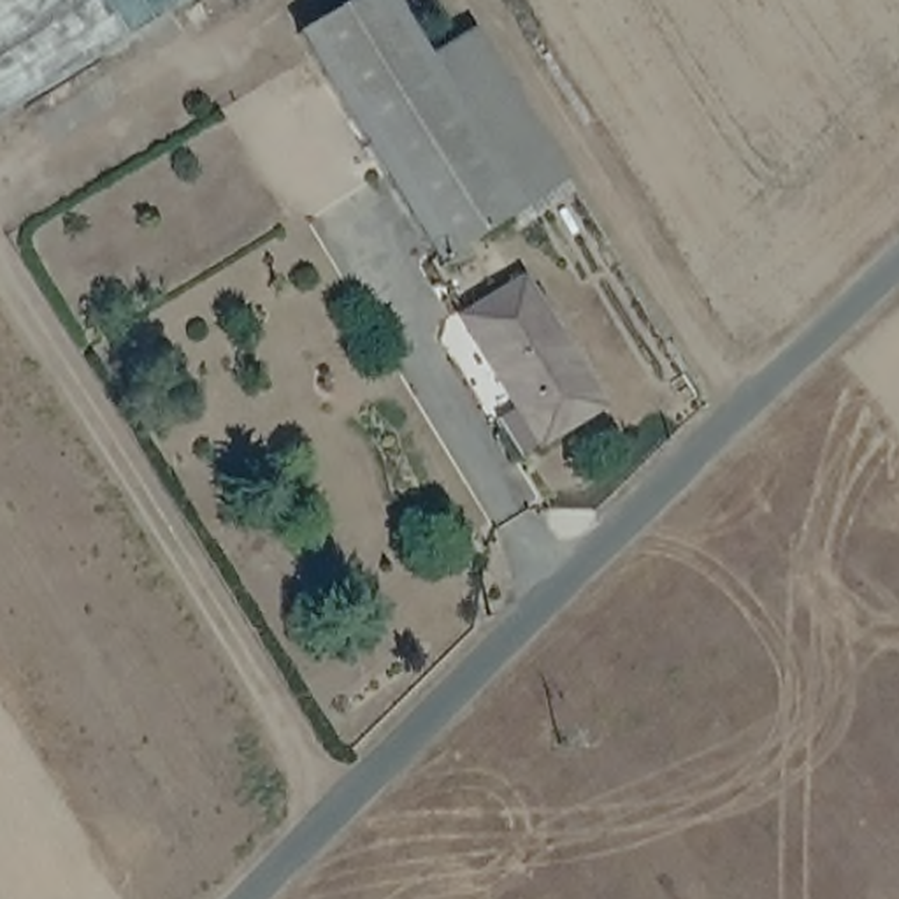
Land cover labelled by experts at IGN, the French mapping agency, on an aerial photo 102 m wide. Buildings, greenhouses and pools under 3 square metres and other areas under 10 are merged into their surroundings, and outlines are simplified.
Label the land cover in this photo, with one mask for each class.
<instances>
[{"label":"agricultural land","instance_id":"1","mask_svg":"<svg viewBox=\"0 0 899 899\"><path fill-rule=\"evenodd\" d=\"M530 7L544 21V32L565 53L572 74L583 81L593 105L601 109V119L615 130L618 144L625 147L629 165L657 197L667 228L678 235V246L688 256L692 274L713 298L723 323L730 330H748L755 316L769 313L783 327L808 313L822 284H829L846 260H853L867 246V239L881 235L899 218V0H530ZM260 737L263 727L253 713L249 695L235 681L232 664L221 657L211 632L200 625L179 579L169 572L147 530L133 516V506L126 502L123 488L112 485L109 467L98 460L77 418L63 407L56 386L49 383L39 358L28 351L25 337L14 330L11 316L0 306V899H204L211 888L232 878L239 860L235 843L246 839L249 818L260 804H239L235 797L242 769L235 737ZM270 899H899V313L888 316L860 348L846 351L843 362H825L804 390L790 383L741 432H734L692 474V481L657 509V516L643 530H636L565 604H558L544 618V625H537L502 660V667H495L492 678L411 755V762L397 776H390Z\"/></svg>","mask_w":899,"mask_h":899},{"label":"herbaceous vegetation","instance_id":"2","mask_svg":"<svg viewBox=\"0 0 899 899\"><path fill-rule=\"evenodd\" d=\"M295 0H176L165 7L162 18L137 32L119 25L116 35L95 49L98 56H105V67H91V74H81L67 88L53 91L46 98L42 116H32L21 102L0 105V130L18 126L39 133L49 155L42 169L46 176H56V183L67 193L95 172H102L105 165L183 126L190 112L183 98L186 91H197V84L183 70H169L162 81L133 95H119V77L109 67H123L140 53L172 42L186 21H200L211 35L235 14L260 32V46L239 70L211 77L200 91L211 95L221 105V112L309 56L298 28L291 18ZM190 151L197 155L193 179H179L172 172L169 155H158L155 162L140 165L137 172L116 179L112 186L77 204V214L88 218L84 232L70 235L60 218H49L35 228V253L56 281V288L63 291L67 306H77L88 295L95 277H116L123 284H133L137 277H147L162 274L165 288H172L204 270L207 263L221 260L235 246L249 242L253 235L267 232L270 225H284L281 239L260 246L235 267L207 277L183 298L165 302L158 316L147 323H137L123 344L109 348L116 376L105 386L109 400L116 404L133 397V372L165 355L169 344H176L186 355L190 379L204 390V414L176 425L158 446L169 467L179 474L186 495L193 499L204 527L214 534V541L239 569L246 590L260 604L274 639L298 667L323 716L334 723L337 737L355 748V762H341L348 773L362 769V762L509 618L506 608L513 597V576L502 544H485L492 523L488 509L474 495L460 460L453 457L432 414L425 411L421 397L411 390L407 372L400 369L386 376H362L341 348L327 306L355 295L362 284L337 270L334 253L323 246L320 228H327V221L320 214H302L288 200H277V193L249 165L246 144L218 123L190 137ZM242 302H249L263 323L256 358L267 369V386L256 393H246L239 386L235 344L221 330V320L239 313ZM302 442H313L316 453L313 485L330 506L334 541L295 558L274 530H242L218 516L214 471L246 481H277V457ZM450 502L464 506V516L471 520V544L478 548V555L488 558V569L481 572L471 565V576L453 572L442 579H421L404 569L400 555L390 544V530H400L407 509L446 513ZM351 562H358L379 583V593L393 604V615L383 622L376 650L358 653L355 660H313L288 636L281 611L291 615L302 593L327 601V593L348 576ZM544 232L551 246L565 256V267H555L527 239H481L457 246L453 256L439 267V284H432V295H442L450 309L464 316L481 298L530 274L534 281H541L544 302L551 306L576 358L593 376L579 400L590 404L597 418L583 421L555 442H537L534 450L516 442L520 460L513 464V474L527 485L530 502L548 499L551 509H590L597 523H604L730 397L709 379L706 369L695 365L688 344L674 330L664 334V327L636 298L625 267L597 253V235L579 225L572 211L558 214ZM646 414H667L674 432L618 488H590V481L565 464V457L583 439L611 428V421L639 425ZM899 246V218L881 235L867 239V246L853 260H846L829 284H822L808 313L783 327L773 334V348L780 355L790 351L853 284H860ZM899 313V281L790 383L804 390L825 362H843L846 351L860 348L888 316ZM295 829L284 822L263 839H256L253 853L239 860L232 878L211 888L204 899H228Z\"/></svg>","mask_w":899,"mask_h":899},{"label":"impervious surface","instance_id":"3","mask_svg":"<svg viewBox=\"0 0 899 899\"><path fill-rule=\"evenodd\" d=\"M246 144L249 165L277 193V200H288L302 214H320L327 221V228H320L323 246L334 253L337 270L362 284L372 288V295L386 302L404 327L407 355L400 369L407 372L411 390L421 397L425 411L432 414L453 457L460 460L474 495L488 509L492 523L485 544H502L513 576V597L506 608L509 618L362 762V769L348 773L320 797V804H313V811L295 829L228 899H270L390 776H397L411 762V755L492 678L495 667H502V660L537 625H544V618L558 604H565L636 530H643L657 516V509L692 481V474L734 432H741L790 383L899 281V246L860 284H853L790 351L780 355L769 369L744 379L730 397L604 523H597L590 509H551L548 499L530 502L527 485L513 474V464L520 460L516 442L509 414H516V404L506 400V386L495 379L485 348H478V341L471 337L464 316L450 309L442 295H432V284H439V267L453 256L457 246L446 242L435 249V239L425 218L418 214L411 190L400 186L393 176H383L379 158L369 151L372 137H362L355 119L344 116L334 88L323 81L316 60L309 56L221 112L218 123Z\"/></svg>","mask_w":899,"mask_h":899},{"label":"pervious surface","instance_id":"4","mask_svg":"<svg viewBox=\"0 0 899 899\"><path fill-rule=\"evenodd\" d=\"M348 0H295L291 18L298 28L320 21ZM411 14L418 18L435 14L439 7L457 14L453 28L432 42L435 49H442L467 35L474 25L492 39L499 60L520 81L534 116L544 123V130L555 137V144L565 151L572 165V211L579 225L597 235V253L625 267L636 298L664 327V334L674 330L688 344L695 365L706 369L709 379L730 397L744 379L769 369L780 355L773 348V334L783 327L769 313L755 316L748 330H730L723 323L713 298L692 274L688 256L678 246V235L667 228L657 197L629 165L625 147L618 144L615 130L601 119V109L593 105L583 81L572 74L565 53L544 32V21L530 7V0H407ZM260 46V32L235 14L211 35L200 21H186L172 42L140 53L123 67H109L119 77V95H133L162 81L169 70H183L197 84V91H200L211 77L239 70ZM49 155L39 133L18 126L0 130V306L11 316L14 330L25 337L28 351L39 358L49 383L56 386L63 407L77 418L98 460L109 467L112 485L123 488L126 502L133 506V516L147 530L169 572L179 579L200 625L211 632L221 657L232 664L235 681L249 695L253 713L263 727L260 737V744L274 752V766L284 773L288 783L284 822L295 829L313 811V804H320V797L348 773L341 762L323 752L298 702L291 699L284 678L277 674L274 660L260 646L253 625L239 611L235 597L221 583L218 569L197 544L179 509L172 506L169 492L155 478L133 435L119 418L116 404L109 400L105 386L88 369L84 355L74 348L70 334L42 298L39 284L32 281L18 253L21 218L67 193L56 183V176H46L42 169Z\"/></svg>","mask_w":899,"mask_h":899},{"label":"building","instance_id":"5","mask_svg":"<svg viewBox=\"0 0 899 899\"><path fill-rule=\"evenodd\" d=\"M176 0H0V105L21 102L32 116H42L46 98L53 91L67 88L81 74H91V67H105V56H98L95 49L116 35L119 25L137 32L162 18L165 7ZM309 56L316 60L323 81L334 88L344 116L355 119L362 137H372L369 151L379 158L383 176H393L400 186L411 190L418 214L425 218L435 239V249L446 242L457 246L481 239V232L506 218H516V225L527 228L541 214H558L572 211V165L565 151L555 144V137L544 130V123L534 116L520 81L499 60L492 39L474 25L467 35L442 49H435L432 42L421 32L418 18L411 14L407 0H348L320 21L298 28ZM471 337L478 341V348H485L495 379L506 386V400L516 404V414H509L516 442L534 450L537 442H555L583 421L597 418L590 404L579 400L593 376L576 358L551 306L544 302L541 281H534L530 274L481 298L464 316Z\"/></svg>","mask_w":899,"mask_h":899},{"label":"deciduous trees","instance_id":"6","mask_svg":"<svg viewBox=\"0 0 899 899\"><path fill-rule=\"evenodd\" d=\"M457 14L439 7L435 14L418 18L421 32L432 42L453 28ZM147 295V277H137L133 284H123L116 277H95L88 295L84 320L105 334L109 348L123 344L137 323H147L130 298ZM341 348L362 376H386L400 369L407 355L404 327L386 302L372 295V288L362 284L355 295L327 306ZM221 330L235 344L239 386L246 393H256L267 386V369L256 358L263 323L249 302H242L239 313L221 320ZM119 418L133 435L147 432V439L158 446L176 425L204 414V390L190 379L186 355L176 344H169L165 355L133 372V397L116 404ZM674 432L667 414H646L639 425L611 421V428L583 439L565 457V464L590 481V488H618ZM316 453L313 442H302L277 457V481H246L214 471L218 516L242 530H274L295 558L334 541L330 506L313 485ZM390 544L400 555L404 569L421 579H442L453 572L471 576V565L481 572L488 569V558L478 555V548L471 544V520L464 516V506L450 502L446 513L407 509L400 530H390ZM393 615V604L379 593V583L358 562H351L348 576L327 593V601L302 593L291 615L281 611L288 636L313 660H355L358 653L376 650L383 622Z\"/></svg>","mask_w":899,"mask_h":899},{"label":"brushwood","instance_id":"7","mask_svg":"<svg viewBox=\"0 0 899 899\"><path fill-rule=\"evenodd\" d=\"M190 112L183 126L105 165L102 172H95L67 193L21 218L18 253L32 281L39 284L42 298L70 334L74 348L84 355L88 369L105 386L116 376L109 348L105 334L84 320L88 295L77 306H67L63 291L56 288V281L35 253V228L49 218H60L70 235L84 232L88 218L77 214V204L112 186L116 179L137 172L140 165L155 162L158 155H169L172 172L179 179H193L197 155L190 151V137L218 123L221 112V105L211 95L200 91H186L183 98ZM558 214H541L527 228L516 225V218H506L481 232V239H527L555 267H565V256L551 246L544 232ZM284 225H270L267 232L253 235L249 242L235 246L221 260L207 263L204 270L172 288H165L162 274L147 277V295L130 298L147 323L158 316L165 302L183 298L207 277L235 267L260 246L281 239ZM155 478L169 492L172 506L179 509L197 544L218 569L221 583L235 597L239 611L253 625L260 646L274 660L277 674L284 678L291 699L298 702L323 752L341 762H355V748L337 737L334 723L323 716L298 667L274 639L260 604L246 590L239 569L214 541V534L204 527L193 499L186 495L179 474L169 467L158 446L147 439V432L133 435ZM242 769L235 797L239 804H260L249 818L246 839L235 843L239 860L253 853L256 839H263L284 822L288 783L284 773L274 766V752L260 744V737H235Z\"/></svg>","mask_w":899,"mask_h":899}]
</instances>
